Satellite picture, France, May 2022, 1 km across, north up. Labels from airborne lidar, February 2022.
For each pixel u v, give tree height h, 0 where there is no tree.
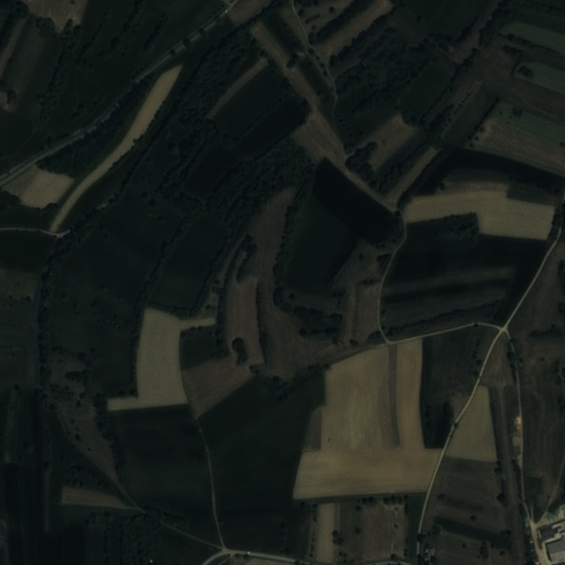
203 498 0
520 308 0
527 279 0
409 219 0
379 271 0
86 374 8
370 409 0
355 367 0
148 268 0
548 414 0
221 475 0
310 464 0
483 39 6
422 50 12
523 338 0
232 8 0
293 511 0
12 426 0
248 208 15
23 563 0
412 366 0
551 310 0
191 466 0
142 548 12
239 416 0
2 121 0
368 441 0
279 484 0
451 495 0
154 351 0
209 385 0
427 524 0
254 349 0
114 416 0
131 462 0
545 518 0
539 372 0
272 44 0
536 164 0
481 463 0
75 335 0
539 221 0
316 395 0
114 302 0
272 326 0
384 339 0
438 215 0
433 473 0
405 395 0
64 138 9
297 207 7
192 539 0
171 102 0
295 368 0
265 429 0
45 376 10
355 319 0
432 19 0
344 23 13
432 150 0
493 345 0
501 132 0
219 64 12
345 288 0
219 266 7
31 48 0
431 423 7
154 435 0
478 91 0
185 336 8
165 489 0
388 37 13
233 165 0
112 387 0
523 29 0
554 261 0
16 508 0
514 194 0
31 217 0
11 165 0
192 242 0
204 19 0
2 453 0
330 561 0
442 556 0
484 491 0
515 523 0
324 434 0
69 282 0
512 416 0
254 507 0
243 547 0
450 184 0
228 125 0
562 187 0
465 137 0
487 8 0
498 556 0
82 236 10
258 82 0
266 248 0
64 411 0
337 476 0
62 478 0
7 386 0
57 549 0
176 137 0
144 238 0
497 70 0
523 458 0
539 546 0
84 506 0
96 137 20
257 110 0
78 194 0
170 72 0
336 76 0
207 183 0
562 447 0
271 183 8
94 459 0
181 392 0
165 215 0
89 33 0
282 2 13
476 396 0
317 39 9
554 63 0
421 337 0
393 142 0
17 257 0
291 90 11
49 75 0
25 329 0
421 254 0
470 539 0
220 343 11
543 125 0
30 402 0
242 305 0
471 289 0
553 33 0
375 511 0
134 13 7
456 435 0
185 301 0
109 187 0
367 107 12
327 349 0
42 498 0
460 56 0
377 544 0
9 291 0
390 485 0
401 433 0
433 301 0
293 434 0
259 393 0
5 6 12
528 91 0
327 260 0
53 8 0
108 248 0
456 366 0
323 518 0
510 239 0
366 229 0
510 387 0
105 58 9
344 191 0
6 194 10
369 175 10
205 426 0
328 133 0
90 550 0
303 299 0
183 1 0
